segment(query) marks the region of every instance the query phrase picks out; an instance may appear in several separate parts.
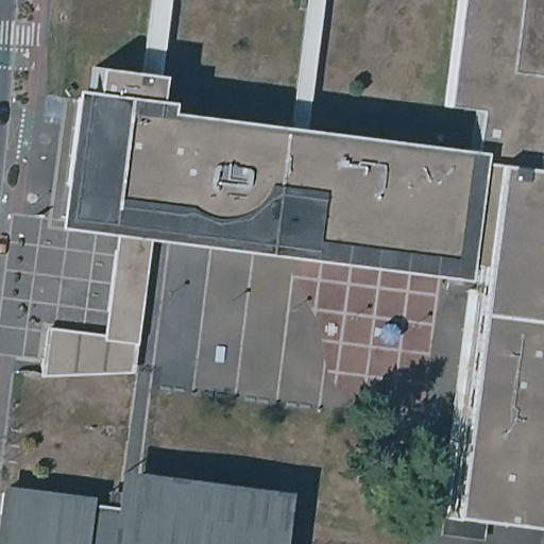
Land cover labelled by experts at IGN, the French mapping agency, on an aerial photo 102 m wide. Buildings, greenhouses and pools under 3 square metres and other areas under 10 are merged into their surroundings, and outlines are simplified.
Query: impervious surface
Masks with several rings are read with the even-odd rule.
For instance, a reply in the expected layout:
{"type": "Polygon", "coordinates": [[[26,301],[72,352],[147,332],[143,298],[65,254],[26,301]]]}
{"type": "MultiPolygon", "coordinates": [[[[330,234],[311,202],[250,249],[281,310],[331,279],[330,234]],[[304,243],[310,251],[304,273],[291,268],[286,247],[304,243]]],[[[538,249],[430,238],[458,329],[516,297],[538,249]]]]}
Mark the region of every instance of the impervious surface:
{"type": "Polygon", "coordinates": [[[516,529],[451,521],[444,525],[444,533],[427,544],[544,544],[544,525],[527,525],[525,529],[516,529]]]}
{"type": "Polygon", "coordinates": [[[319,531],[315,527],[312,544],[355,544],[334,540],[327,531],[319,531]]]}
{"type": "Polygon", "coordinates": [[[136,406],[132,406],[128,414],[128,423],[132,423],[132,440],[130,453],[123,455],[125,470],[132,472],[140,463],[145,465],[149,448],[147,431],[151,400],[155,400],[162,391],[166,391],[166,395],[198,395],[202,402],[217,402],[225,408],[234,408],[240,402],[268,406],[281,402],[285,408],[317,410],[332,414],[334,419],[336,423],[344,423],[346,408],[342,406],[355,400],[361,385],[370,383],[370,393],[387,397],[389,408],[395,417],[393,434],[378,440],[378,446],[389,453],[391,461],[397,461],[404,453],[414,448],[417,427],[423,427],[427,434],[431,434],[434,444],[444,448],[451,444],[451,431],[457,417],[455,393],[468,306],[468,295],[455,283],[446,283],[444,278],[440,289],[434,291],[436,281],[431,278],[393,281],[393,274],[376,276],[376,272],[355,270],[351,274],[346,268],[327,266],[323,272],[319,272],[317,266],[298,264],[295,259],[281,261],[266,257],[155,244],[136,374],[136,406]]]}
{"type": "Polygon", "coordinates": [[[51,0],[0,0],[0,448],[2,440],[9,440],[15,376],[23,372],[40,372],[40,344],[45,327],[53,325],[62,329],[96,334],[104,334],[106,329],[106,302],[117,240],[83,234],[64,234],[62,230],[68,157],[79,91],[68,89],[64,98],[47,94],[45,74],[49,70],[49,53],[47,45],[43,43],[43,30],[51,23],[51,0]]]}

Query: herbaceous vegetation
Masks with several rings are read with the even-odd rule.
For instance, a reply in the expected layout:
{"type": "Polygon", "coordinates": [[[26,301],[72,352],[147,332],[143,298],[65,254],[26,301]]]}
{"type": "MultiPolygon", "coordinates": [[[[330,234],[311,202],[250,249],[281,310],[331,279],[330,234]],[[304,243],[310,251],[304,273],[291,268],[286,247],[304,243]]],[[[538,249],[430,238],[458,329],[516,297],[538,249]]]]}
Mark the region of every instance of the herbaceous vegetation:
{"type": "Polygon", "coordinates": [[[91,68],[119,68],[138,72],[142,68],[145,53],[149,51],[147,30],[151,0],[51,0],[51,23],[43,30],[43,43],[47,45],[49,53],[49,70],[45,74],[47,94],[64,98],[68,89],[79,91],[83,83],[91,79],[91,68]]]}
{"type": "Polygon", "coordinates": [[[319,531],[327,531],[334,540],[355,544],[395,544],[400,536],[393,531],[378,529],[376,512],[366,508],[361,482],[357,474],[349,468],[346,446],[338,442],[334,434],[325,434],[325,427],[334,419],[332,414],[317,410],[285,408],[281,402],[268,406],[240,402],[234,408],[225,408],[217,402],[202,402],[198,395],[166,395],[166,391],[162,391],[155,400],[151,400],[147,431],[149,448],[145,465],[145,472],[155,476],[295,493],[298,504],[291,544],[312,544],[315,527],[319,531]]]}
{"type": "Polygon", "coordinates": [[[136,374],[96,378],[43,378],[40,372],[23,372],[15,376],[9,440],[2,440],[0,448],[0,495],[6,493],[6,489],[13,482],[17,482],[19,489],[85,495],[96,497],[98,504],[108,504],[108,497],[121,499],[125,470],[123,455],[130,453],[132,440],[132,423],[128,423],[128,414],[132,406],[136,406],[136,374]]]}
{"type": "Polygon", "coordinates": [[[457,149],[476,149],[482,140],[476,113],[444,106],[431,106],[429,94],[436,77],[436,40],[440,30],[442,2],[455,11],[457,0],[325,0],[315,98],[308,102],[298,100],[295,89],[308,0],[174,0],[164,74],[172,77],[170,100],[181,102],[183,113],[425,142],[457,149]]]}

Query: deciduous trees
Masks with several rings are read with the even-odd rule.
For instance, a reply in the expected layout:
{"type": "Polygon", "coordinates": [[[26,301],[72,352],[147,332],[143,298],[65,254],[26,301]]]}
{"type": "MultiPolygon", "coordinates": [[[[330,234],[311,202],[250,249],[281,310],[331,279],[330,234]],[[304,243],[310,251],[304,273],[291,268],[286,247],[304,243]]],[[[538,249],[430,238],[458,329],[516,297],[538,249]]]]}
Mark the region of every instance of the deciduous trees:
{"type": "Polygon", "coordinates": [[[444,106],[455,11],[442,2],[440,30],[436,40],[436,77],[429,94],[431,106],[444,106]]]}
{"type": "Polygon", "coordinates": [[[389,408],[387,397],[370,393],[370,383],[361,385],[355,400],[342,406],[346,408],[344,423],[336,423],[334,419],[325,427],[325,434],[334,434],[338,442],[346,446],[349,468],[357,474],[361,482],[366,508],[376,512],[378,529],[393,531],[400,536],[395,544],[427,544],[444,533],[444,525],[451,521],[446,514],[446,506],[442,506],[442,497],[436,497],[436,480],[446,482],[453,476],[453,472],[446,468],[446,463],[431,463],[429,455],[434,451],[434,444],[431,434],[427,434],[423,427],[417,427],[414,448],[404,453],[397,461],[391,461],[389,453],[378,446],[378,440],[393,434],[395,417],[389,408]]]}

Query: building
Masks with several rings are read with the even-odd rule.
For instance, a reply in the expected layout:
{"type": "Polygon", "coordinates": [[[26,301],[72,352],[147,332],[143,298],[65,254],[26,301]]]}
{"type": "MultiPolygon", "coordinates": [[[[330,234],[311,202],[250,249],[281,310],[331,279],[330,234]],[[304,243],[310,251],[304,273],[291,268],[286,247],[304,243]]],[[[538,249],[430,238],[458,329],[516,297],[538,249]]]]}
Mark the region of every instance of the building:
{"type": "Polygon", "coordinates": [[[325,0],[308,0],[295,89],[298,100],[308,102],[315,98],[325,0]]]}
{"type": "Polygon", "coordinates": [[[295,493],[155,476],[145,472],[145,465],[140,463],[132,472],[125,470],[121,499],[108,497],[108,504],[98,504],[96,497],[85,495],[19,489],[17,482],[13,482],[6,489],[6,493],[0,495],[0,544],[291,544],[298,504],[295,493]]]}
{"type": "Polygon", "coordinates": [[[119,68],[91,68],[91,79],[83,83],[79,91],[68,157],[62,230],[64,234],[83,234],[117,240],[106,302],[106,329],[104,334],[96,334],[62,329],[53,325],[45,327],[40,344],[40,372],[43,378],[96,378],[136,374],[155,244],[266,257],[281,261],[295,259],[298,264],[317,266],[319,272],[323,272],[327,266],[346,268],[351,274],[355,270],[376,272],[376,276],[393,274],[393,281],[431,278],[436,281],[434,291],[440,289],[444,278],[446,283],[455,283],[468,295],[468,306],[455,393],[457,417],[451,431],[451,444],[444,448],[434,444],[434,451],[429,455],[431,463],[446,463],[446,468],[453,472],[453,476],[446,482],[436,480],[436,497],[442,497],[442,506],[446,506],[446,514],[451,521],[516,529],[525,529],[527,525],[544,525],[544,0],[457,0],[455,11],[444,106],[476,113],[482,140],[476,149],[457,149],[425,142],[183,113],[181,102],[170,100],[172,77],[164,74],[174,0],[151,0],[147,30],[149,51],[145,53],[142,68],[138,72],[119,68]]]}

